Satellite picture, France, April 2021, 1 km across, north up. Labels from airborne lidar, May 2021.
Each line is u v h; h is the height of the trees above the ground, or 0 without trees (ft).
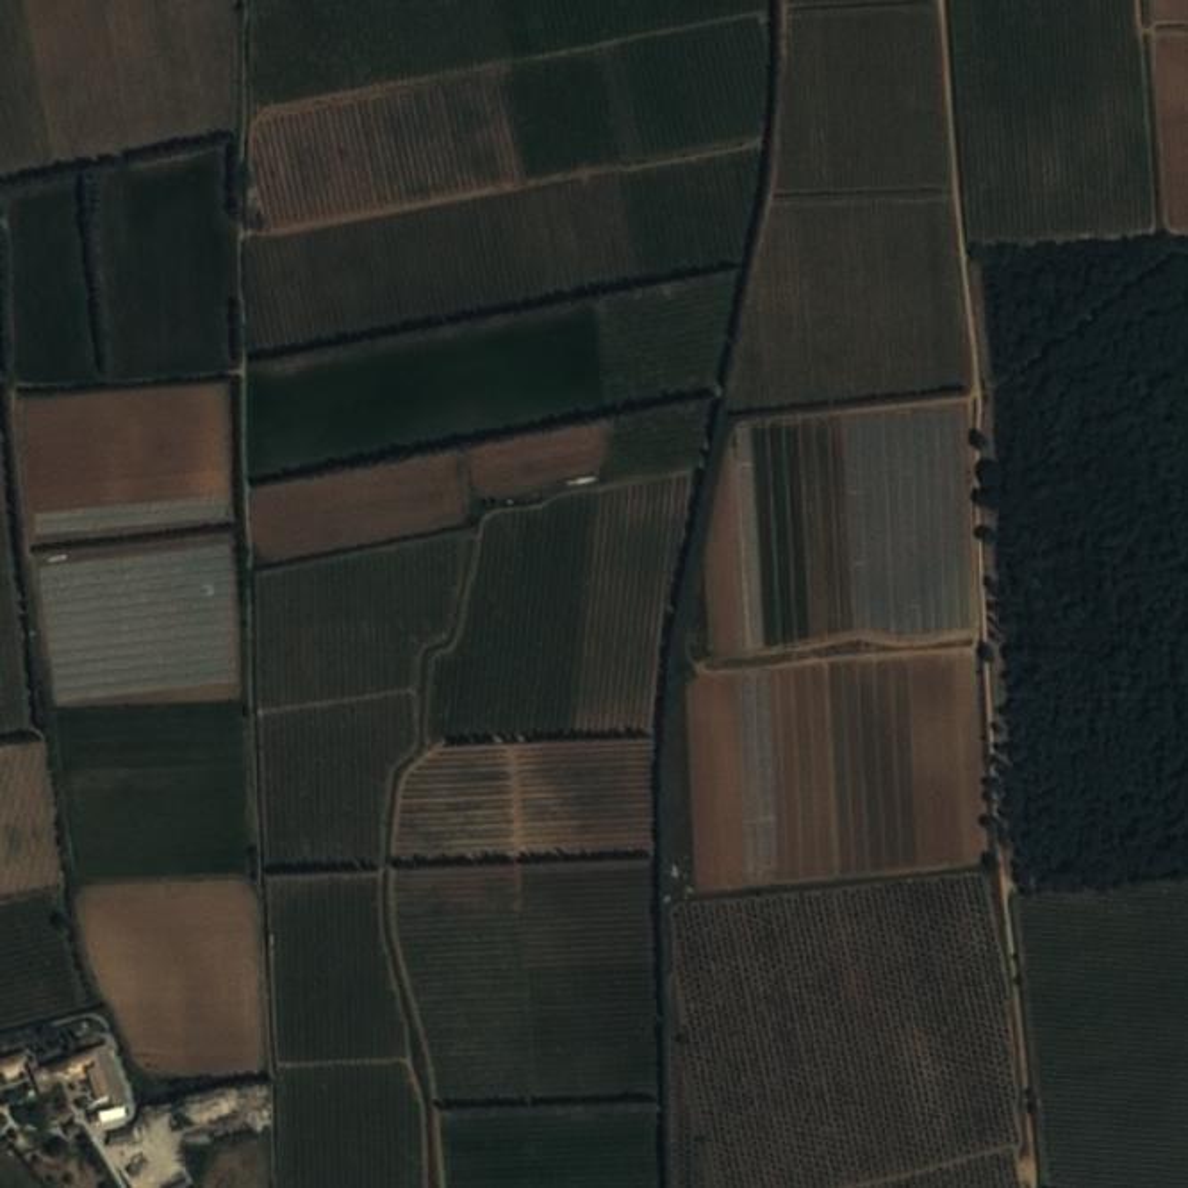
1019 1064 0
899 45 0
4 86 0
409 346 0
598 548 0
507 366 0
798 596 0
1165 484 36
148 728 0
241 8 25
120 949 0
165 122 0
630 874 0
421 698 0
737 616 0
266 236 0
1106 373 44
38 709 41
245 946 0
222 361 0
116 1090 0
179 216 0
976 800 0
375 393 0
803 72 0
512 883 0
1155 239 29
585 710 0
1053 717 49
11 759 0
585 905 0
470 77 0
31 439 0
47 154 0
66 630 0
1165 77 0
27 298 0
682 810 0
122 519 0
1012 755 42
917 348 0
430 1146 0
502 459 0
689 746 0
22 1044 40
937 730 0
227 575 0
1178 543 51
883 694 0
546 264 0
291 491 0
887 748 0
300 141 0
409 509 0
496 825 0
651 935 0
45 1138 22
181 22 0
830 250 0
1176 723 45
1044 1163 0
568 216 0
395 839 0
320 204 0
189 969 0
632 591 0
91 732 0
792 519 0
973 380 0
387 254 0
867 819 0
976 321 0
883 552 0
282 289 0
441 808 0
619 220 0
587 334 0
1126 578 44
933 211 0
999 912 0
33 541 0
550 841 0
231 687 0
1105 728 39
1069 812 41
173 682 0
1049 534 31
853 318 0
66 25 0
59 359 0
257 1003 0
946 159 0
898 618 0
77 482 0
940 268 0
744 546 0
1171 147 0
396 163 0
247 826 0
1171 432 42
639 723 0
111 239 0
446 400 0
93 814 0
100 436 0
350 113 0
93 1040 0
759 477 0
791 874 0
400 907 0
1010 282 29
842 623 0
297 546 0
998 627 32
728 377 41
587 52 0
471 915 0
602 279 0
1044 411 43
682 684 0
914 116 0
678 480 0
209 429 0
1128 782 52
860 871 0
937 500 0
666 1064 41
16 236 0
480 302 0
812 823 0
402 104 0
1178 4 0
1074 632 31
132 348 0
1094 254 25
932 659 0
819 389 0
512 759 0
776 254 0
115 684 0
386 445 0
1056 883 59
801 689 0
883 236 0
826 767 0
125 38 0
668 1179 42
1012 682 31
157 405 0
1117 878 40
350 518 0
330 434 0
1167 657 48
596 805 0
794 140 0
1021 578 39
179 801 0
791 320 0
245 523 23
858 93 0
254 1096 0
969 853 0
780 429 0
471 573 0
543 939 0
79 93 0
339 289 0
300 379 0
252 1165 0
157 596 0
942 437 0
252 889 0
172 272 0
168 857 0
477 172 0
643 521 0
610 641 0
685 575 38
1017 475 30
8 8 0
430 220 0
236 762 0
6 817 0
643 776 0
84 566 0
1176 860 46
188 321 0
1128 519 25
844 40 0
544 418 0
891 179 0
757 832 0
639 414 53
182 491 0
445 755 0
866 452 0
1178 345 43
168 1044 0
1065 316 40
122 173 0
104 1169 26
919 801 0
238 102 0
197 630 0
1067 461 34
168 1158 0
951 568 0
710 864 0
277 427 0
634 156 0
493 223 0
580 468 0
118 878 0
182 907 0
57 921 34
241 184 42
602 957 0
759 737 0
